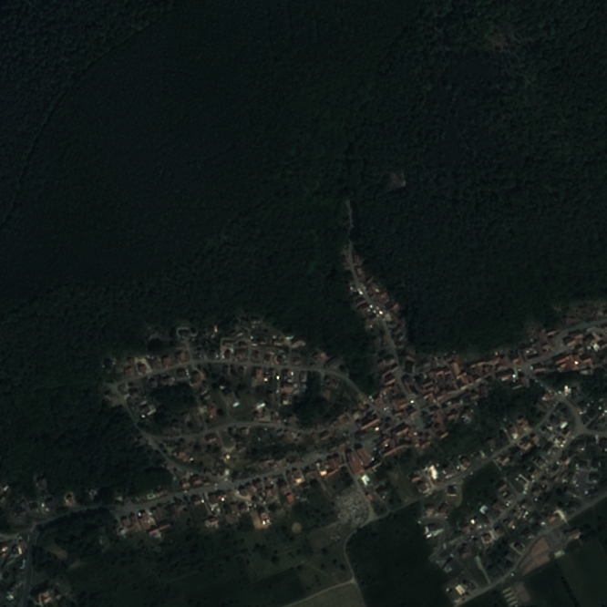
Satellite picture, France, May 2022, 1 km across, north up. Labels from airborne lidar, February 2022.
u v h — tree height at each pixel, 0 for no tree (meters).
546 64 25
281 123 17
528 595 0
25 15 28
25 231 13
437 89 12
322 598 0
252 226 20
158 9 25
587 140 25
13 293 15
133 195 13
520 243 25
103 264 16
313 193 25
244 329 0
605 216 20
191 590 0
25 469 27
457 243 17
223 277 24
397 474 0
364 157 28
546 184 25
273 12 19
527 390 6
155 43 13
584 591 0
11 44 26
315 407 16
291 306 21
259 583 0
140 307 24
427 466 0
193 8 19
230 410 0
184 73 17
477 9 25
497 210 20
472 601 0
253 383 0
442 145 13
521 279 27
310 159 20
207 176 18
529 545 0
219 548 0
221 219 15
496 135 9
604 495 0
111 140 14
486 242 23
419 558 0
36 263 16
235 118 16
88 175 14
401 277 22
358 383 24
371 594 0
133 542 0
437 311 20
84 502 15
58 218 16
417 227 23
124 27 23
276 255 22
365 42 18
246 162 19
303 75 17
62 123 16
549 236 25
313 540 0
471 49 9
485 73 11
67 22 24
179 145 15
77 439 22
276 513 0
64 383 21
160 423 19
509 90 22
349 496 0
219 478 0
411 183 21
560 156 25
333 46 17
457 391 0
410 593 0
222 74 16
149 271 18
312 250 21
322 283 16
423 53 27
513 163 13
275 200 18
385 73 25
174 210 15
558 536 0
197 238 15
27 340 24
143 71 15
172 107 15
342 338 20
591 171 24
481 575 0
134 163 14
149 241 15
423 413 8
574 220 19
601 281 28
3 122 18
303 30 17
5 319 23
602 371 7
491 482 7
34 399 22
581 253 25
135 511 0
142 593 0
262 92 21
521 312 28
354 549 0
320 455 0
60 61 24
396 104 23
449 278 24
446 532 0
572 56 25
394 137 24
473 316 26
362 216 24
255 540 0
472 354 0
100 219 17
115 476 27
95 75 14
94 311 23
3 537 0
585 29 28
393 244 21
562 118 25
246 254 25
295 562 0
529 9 28
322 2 15
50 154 15
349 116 30
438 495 0
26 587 0
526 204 21
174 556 11
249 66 15
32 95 19
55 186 17
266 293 19
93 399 27
